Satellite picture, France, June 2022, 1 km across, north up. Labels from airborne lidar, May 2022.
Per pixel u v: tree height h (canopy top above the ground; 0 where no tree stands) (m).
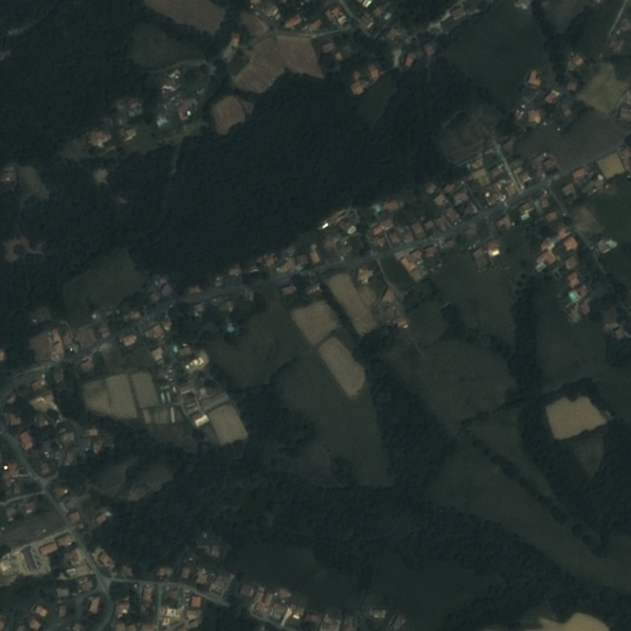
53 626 0
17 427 11
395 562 0
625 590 0
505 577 17
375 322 0
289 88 19
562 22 0
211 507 14
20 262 18
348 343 0
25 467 0
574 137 0
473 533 18
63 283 15
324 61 13
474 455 0
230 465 14
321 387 0
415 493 24
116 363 0
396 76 11
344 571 19
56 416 17
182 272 19
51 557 10
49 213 22
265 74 0
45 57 20
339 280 0
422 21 16
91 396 0
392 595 0
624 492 20
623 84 0
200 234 16
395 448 23
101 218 25
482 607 22
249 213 22
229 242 19
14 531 0
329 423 0
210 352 0
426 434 11
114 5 22
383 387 21
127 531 22
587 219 0
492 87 0
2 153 9
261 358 0
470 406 0
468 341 8
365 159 22
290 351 0
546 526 0
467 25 15
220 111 0
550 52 18
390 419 23
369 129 12
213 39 11
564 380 0
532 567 24
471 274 0
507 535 21
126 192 25
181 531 16
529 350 8
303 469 0
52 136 20
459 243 14
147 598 0
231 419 0
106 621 0
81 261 27
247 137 23
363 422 0
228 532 17
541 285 0
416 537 9
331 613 0
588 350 0
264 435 25
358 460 0
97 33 21
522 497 0
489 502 0
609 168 0
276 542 19
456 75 25
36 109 16
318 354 0
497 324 0
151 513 24
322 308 0
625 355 19
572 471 22
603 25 0
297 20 0
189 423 0
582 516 16
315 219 19
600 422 0
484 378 0
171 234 19
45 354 0
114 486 0
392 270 0
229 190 19
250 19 0
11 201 18
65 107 15
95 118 15
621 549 0
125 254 0
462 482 0
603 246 0
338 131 21
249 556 0
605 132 0
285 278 0
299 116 21
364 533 7
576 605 12
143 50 0
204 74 9
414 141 9
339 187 22
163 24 15
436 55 7
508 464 14
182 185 22
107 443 0
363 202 21
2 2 14
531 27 0
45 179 17
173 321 13
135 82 10
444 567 0
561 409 0
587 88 0
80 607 0
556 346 0
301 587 0
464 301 0
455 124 5
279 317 0
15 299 27
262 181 23
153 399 0
